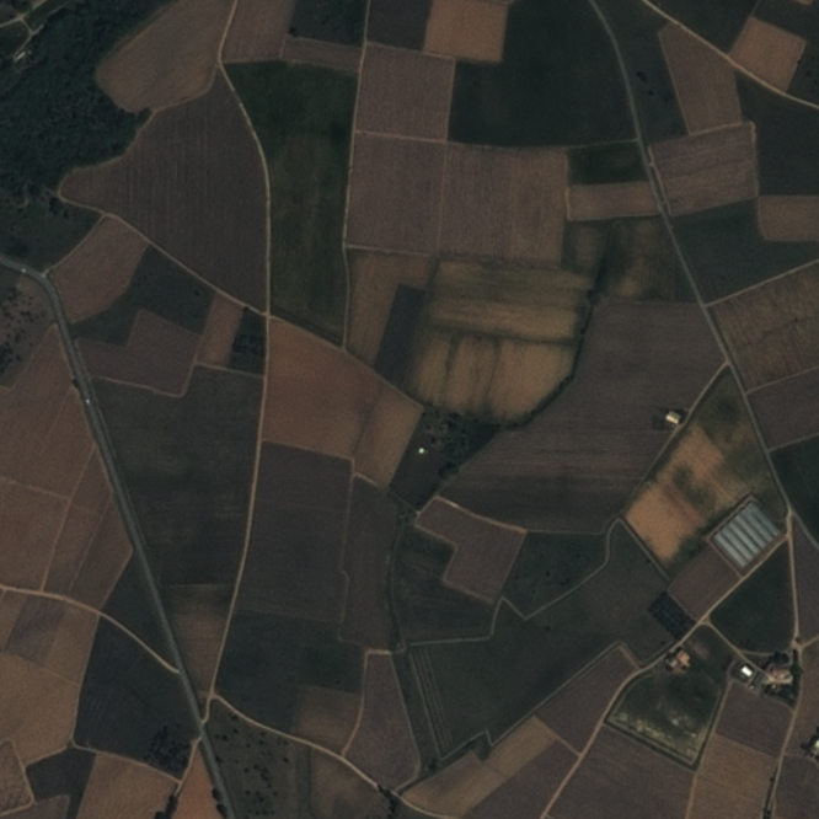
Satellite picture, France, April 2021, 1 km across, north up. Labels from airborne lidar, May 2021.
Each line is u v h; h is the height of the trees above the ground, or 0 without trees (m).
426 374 0
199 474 0
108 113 6
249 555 0
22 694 0
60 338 0
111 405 0
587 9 0
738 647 0
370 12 0
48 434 0
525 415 0
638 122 0
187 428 0
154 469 0
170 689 0
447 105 0
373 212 0
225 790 0
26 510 0
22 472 0
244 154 0
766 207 0
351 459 0
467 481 0
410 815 0
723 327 0
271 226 0
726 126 0
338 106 0
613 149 0
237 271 0
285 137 0
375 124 0
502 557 0
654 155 0
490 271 0
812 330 0
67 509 0
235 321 0
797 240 0
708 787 0
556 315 0
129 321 0
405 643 0
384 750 0
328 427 0
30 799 0
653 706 0
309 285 0
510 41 0
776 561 0
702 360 0
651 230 0
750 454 0
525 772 0
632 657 0
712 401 0
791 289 0
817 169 0
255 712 0
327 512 0
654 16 0
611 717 0
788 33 0
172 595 0
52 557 0
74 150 20
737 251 0
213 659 0
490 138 0
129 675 0
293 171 0
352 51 0
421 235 0
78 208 0
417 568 0
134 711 0
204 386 0
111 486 0
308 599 0
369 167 0
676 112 0
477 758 0
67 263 0
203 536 0
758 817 0
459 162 0
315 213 0
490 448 0
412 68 0
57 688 0
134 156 0
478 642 0
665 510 0
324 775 0
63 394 0
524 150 0
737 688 0
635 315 0
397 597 0
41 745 0
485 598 0
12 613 0
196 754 0
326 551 0
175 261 0
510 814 0
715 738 0
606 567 0
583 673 0
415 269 0
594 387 0
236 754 0
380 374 0
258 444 0
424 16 0
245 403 0
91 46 9
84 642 0
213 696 0
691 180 0
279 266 0
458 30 0
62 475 0
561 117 0
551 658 0
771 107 0
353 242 0
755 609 0
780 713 0
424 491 0
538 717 0
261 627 0
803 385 0
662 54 0
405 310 0
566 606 0
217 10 0
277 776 0
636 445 0
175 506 0
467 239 0
